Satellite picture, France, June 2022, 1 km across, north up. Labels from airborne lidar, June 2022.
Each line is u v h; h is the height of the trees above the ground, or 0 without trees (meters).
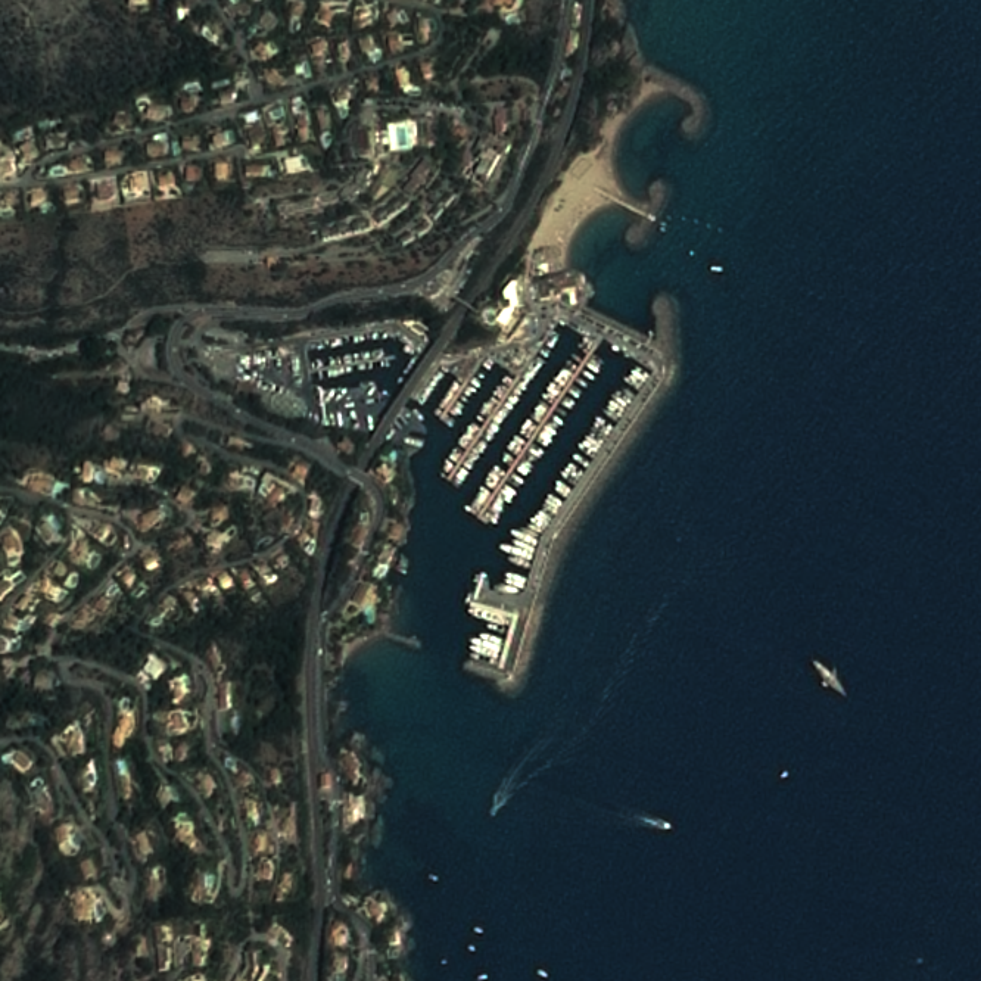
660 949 0
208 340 7
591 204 0
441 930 0
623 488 0
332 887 0
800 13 0
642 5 0
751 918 0
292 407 0
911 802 0
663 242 0
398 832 0
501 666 0
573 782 0
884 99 0
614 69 7
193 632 8
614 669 0
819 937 0
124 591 12
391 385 0
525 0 9
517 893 0
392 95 6
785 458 0
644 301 0
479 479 0
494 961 0
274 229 6
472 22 9
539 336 0
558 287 0
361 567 0
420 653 0
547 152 8
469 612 0
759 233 0
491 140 0
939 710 0
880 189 0
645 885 0
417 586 0
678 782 0
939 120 0
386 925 11
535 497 0
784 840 0
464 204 11
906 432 0
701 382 0
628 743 0
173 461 6
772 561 0
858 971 0
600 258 0
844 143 0
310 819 6
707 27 0
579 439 0
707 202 0
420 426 0
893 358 0
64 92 9
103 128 14
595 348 0
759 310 0
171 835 9
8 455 9
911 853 0
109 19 11
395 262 7
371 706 0
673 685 0
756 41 0
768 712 0
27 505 8
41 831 22
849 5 0
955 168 0
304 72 0
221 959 11
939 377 0
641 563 0
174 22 8
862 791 0
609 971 0
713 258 0
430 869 0
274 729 9
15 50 11
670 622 0
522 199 6
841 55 0
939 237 0
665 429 0
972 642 0
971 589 0
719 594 0
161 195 10
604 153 0
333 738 12
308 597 9
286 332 8
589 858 0
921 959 0
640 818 0
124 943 18
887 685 0
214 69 12
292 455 7
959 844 0
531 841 0
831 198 0
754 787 0
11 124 13
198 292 11
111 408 13
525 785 0
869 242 0
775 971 0
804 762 0
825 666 0
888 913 0
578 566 0
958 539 0
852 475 0
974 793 0
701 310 0
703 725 0
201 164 6
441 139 6
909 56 0
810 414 0
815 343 0
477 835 0
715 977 0
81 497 0
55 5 0
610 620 0
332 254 0
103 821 13
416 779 0
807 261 0
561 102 8
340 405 0
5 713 12
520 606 0
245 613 10
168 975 11
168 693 8
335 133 8
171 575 9
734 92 0
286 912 7
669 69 0
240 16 5
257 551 9
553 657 0
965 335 0
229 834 10
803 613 0
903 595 0
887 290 0
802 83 0
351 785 9
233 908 7
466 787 0
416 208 7
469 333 7
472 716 0
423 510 0
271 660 12
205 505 6
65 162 7
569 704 0
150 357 0
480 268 8
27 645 7
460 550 0
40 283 7
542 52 7
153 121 10
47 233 0
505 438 0
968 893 0
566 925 0
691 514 0
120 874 8
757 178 0
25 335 8
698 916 0
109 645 7
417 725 0
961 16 0
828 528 0
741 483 0
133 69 13
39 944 13
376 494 0
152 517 0
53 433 8
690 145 0
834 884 0
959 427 0
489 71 12
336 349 0
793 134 0
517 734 0
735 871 0
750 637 0
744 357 0
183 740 7
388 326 0
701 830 0
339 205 6
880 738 0
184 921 7
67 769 12
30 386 6
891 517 0
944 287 0
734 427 0
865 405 0
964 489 0
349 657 0
